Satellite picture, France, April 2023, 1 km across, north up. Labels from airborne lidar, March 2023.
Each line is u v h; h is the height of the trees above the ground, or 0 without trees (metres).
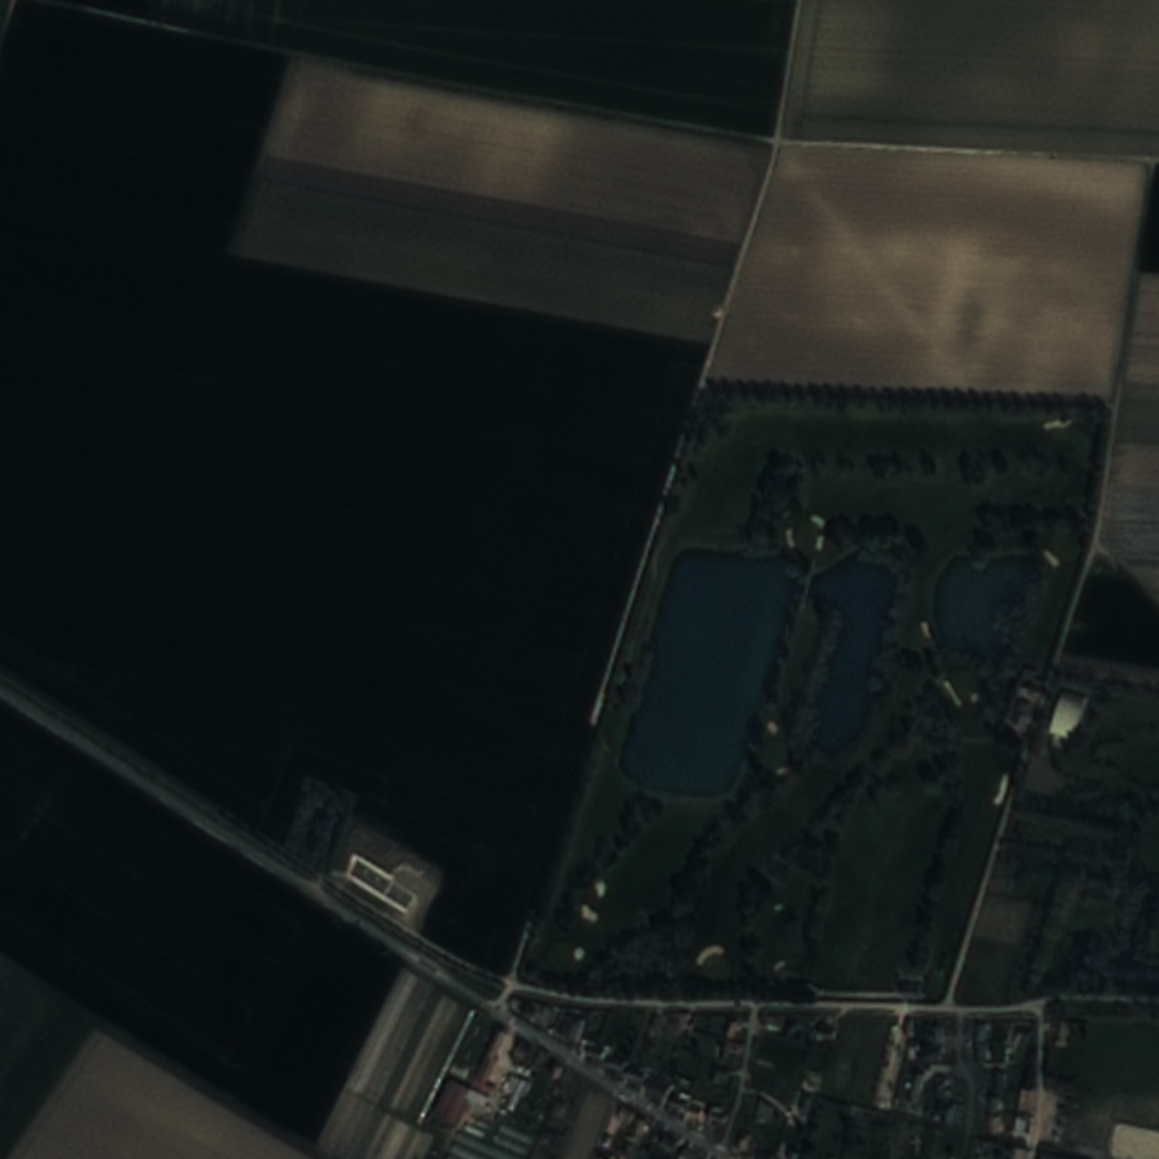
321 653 0
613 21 0
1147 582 0
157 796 0
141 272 0
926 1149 0
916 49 0
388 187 0
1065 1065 0
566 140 0
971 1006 0
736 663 0
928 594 0
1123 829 15
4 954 0
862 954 0
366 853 0
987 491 0
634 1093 0
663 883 0
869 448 0
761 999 10
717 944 0
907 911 0
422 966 0
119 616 0
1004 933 0
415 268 0
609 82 0
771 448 0
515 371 0
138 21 0
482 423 0
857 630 0
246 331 0
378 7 0
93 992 0
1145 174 0
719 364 0
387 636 0
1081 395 0
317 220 0
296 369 0
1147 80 0
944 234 0
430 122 0
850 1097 0
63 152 0
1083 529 12
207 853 0
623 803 0
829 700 0
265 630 0
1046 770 0
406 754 0
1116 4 0
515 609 0
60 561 0
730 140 0
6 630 0
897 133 0
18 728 0
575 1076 0
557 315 0
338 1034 0
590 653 0
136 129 0
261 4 0
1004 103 0
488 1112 0
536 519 0
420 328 0
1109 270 0
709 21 0
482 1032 0
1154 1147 0
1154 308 0
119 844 0
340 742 0
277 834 0
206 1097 0
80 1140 0
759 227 0
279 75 0
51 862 0
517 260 0
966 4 0
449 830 0
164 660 0
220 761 0
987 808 0
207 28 0
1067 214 0
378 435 0
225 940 0
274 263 0
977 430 0
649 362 0
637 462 0
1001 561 0
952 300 0
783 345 0
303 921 0
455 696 0
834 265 0
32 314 0
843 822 11
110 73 0
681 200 0
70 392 0
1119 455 0
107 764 0
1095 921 0
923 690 0
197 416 0
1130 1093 0
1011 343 0
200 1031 0
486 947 0
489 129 0
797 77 0
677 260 0
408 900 0
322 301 0
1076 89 0
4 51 0
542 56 0
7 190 0
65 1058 0
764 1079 0
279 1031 0
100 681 0
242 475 0
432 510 0
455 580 0
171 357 0
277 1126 0
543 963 0
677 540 0
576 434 0
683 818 0
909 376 0
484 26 0
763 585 0
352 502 0
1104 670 0
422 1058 0
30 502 0
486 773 0
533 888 0
